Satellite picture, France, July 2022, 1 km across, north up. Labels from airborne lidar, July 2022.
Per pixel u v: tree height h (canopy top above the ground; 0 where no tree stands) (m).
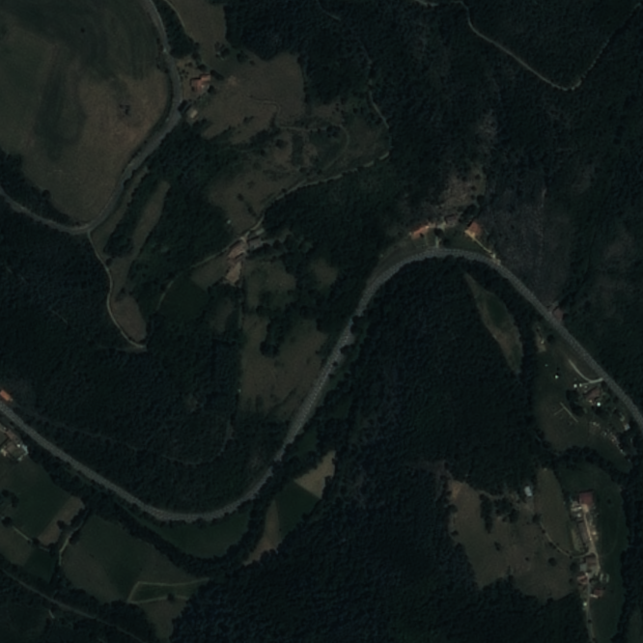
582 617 14
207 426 10
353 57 16
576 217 6
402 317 23
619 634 6
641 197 6
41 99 0
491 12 11
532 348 21
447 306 18
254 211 8
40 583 8
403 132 15
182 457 7
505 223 0
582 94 15
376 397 9
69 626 16
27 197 12
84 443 14
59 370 16
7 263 7
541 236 0
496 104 10
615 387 0
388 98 24
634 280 9
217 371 30
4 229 21
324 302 20
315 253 17
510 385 20
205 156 8
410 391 8
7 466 0
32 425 17
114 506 20
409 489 12
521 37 8
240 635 6
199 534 0
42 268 27
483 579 0
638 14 13
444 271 12
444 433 14
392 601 15
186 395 9
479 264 17
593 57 7
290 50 13
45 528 0
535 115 16
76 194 0
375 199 8
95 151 0
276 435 24
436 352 9
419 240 0
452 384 20
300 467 24
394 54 16
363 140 0
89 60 0
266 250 18
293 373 0
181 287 0
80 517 12
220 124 0
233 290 8
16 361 19
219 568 21
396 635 13
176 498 8
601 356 6
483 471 13
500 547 8
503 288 20
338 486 20
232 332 6
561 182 15
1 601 24
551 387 0
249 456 19
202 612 24
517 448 10
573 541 0
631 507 23
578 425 0
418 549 12
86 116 0
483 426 20
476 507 0
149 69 0
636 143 12
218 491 12
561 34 9
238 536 0
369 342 17
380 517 17
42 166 0
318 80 21
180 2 0
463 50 6
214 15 0
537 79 12
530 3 8
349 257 10
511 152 6
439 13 15
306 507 0
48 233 17
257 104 0
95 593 0
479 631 26
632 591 18
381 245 17
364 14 20
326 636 17
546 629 14
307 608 12
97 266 9
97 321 10
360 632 15
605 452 0
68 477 20
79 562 0
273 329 14
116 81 0
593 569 0
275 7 21
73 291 30
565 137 11
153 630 12
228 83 0
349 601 21
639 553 15
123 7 0
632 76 8
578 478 0
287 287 0
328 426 15
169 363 14
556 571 0
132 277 12
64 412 9
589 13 18
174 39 10
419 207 6
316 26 27
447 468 11
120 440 14
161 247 11
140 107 0
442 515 8
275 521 0
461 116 8
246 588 10
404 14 18
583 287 12
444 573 13
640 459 16
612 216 6
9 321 22
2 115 0
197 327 9
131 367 16
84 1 0
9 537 0
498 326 0
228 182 0
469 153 17
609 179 10
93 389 10
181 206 10
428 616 12
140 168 5
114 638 21
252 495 0
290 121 0
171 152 7
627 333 5
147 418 15
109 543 0
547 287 0
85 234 0
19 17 0
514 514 9
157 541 42
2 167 14
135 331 0
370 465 18
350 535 23
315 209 16
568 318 15
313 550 16
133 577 0
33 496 0
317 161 10
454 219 0
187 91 0
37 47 0
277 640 9
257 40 27
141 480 20
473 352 10
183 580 0
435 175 11
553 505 0
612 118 17
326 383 0
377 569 20
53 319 18
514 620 28
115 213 0
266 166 0
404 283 13
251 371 0
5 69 0
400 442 15
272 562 28
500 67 13
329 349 6
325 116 0
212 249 9
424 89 21
